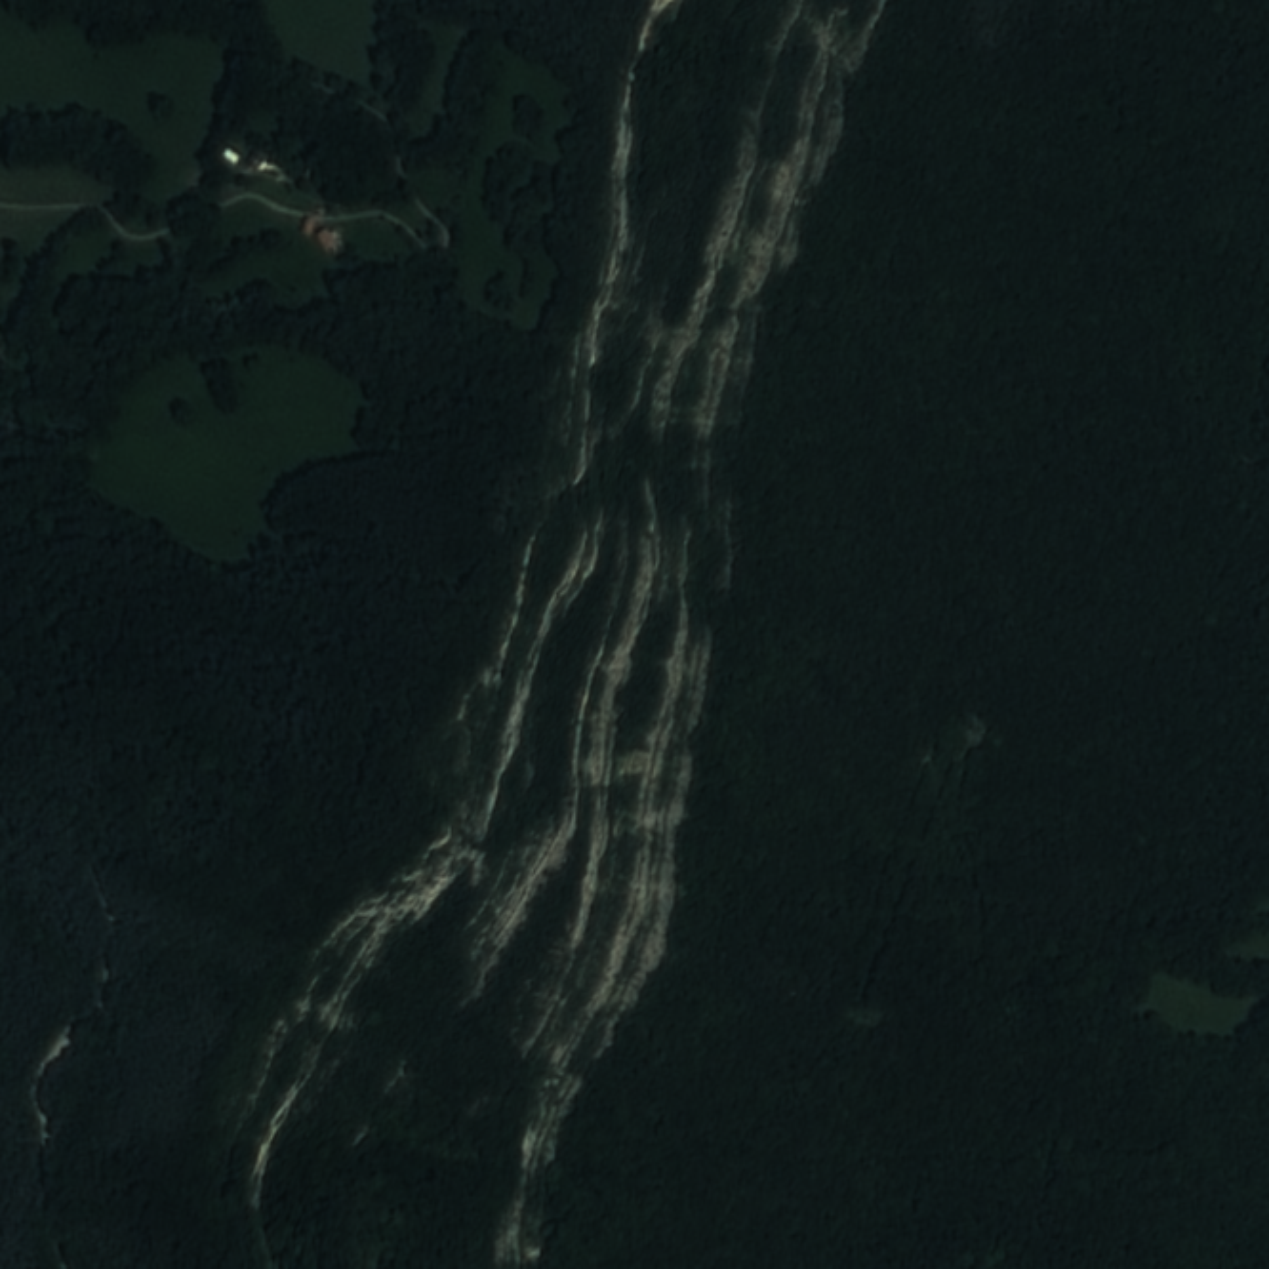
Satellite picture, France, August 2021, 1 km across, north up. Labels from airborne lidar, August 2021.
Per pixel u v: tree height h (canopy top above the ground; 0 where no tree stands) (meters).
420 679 20
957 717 10
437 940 14
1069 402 16
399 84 6
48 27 20
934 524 14
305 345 14
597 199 8
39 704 19
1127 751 14
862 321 11
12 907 19
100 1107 13
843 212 16
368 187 21
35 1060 16
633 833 6
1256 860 20
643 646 9
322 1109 12
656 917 6
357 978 29
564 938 8
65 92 0
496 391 17
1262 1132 15
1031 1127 14
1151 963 19
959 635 13
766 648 19
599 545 7
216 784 22
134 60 0
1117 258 19
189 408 16
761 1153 17
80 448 24
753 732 14
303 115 19
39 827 12
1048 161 16
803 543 15
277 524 15
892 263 17
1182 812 16
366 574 26
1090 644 15
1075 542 17
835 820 13
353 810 20
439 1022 13
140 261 0
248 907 19
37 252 0
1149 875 16
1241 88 15
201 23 20
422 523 20
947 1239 27
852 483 21
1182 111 13
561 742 10
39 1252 15
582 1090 12
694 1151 22
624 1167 24
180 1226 26
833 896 10
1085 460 13
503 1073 17
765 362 11
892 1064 13
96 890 9
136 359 23
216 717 23
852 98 16
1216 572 14
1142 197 18
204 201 12
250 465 0
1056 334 17
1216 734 17
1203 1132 13
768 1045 20
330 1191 23
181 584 29
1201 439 18
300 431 0
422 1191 22
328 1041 10
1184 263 11
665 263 7
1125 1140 12
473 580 12
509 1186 17
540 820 9
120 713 23
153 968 18
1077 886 14
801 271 16
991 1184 18
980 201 18
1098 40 16
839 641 14
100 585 28
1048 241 17
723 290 8
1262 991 16
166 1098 14
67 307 18
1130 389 18
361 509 19
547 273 0
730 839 13
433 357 13
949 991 18
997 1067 17
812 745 13
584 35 9
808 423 17
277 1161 24
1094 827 14
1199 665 16
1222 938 21
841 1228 14
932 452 18
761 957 18
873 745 14
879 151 16
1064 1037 21
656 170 17
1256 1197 13
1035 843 17
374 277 18
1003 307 16
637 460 12
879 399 15
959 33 13
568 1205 23
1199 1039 17
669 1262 14
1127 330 16
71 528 25
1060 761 14
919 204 18
